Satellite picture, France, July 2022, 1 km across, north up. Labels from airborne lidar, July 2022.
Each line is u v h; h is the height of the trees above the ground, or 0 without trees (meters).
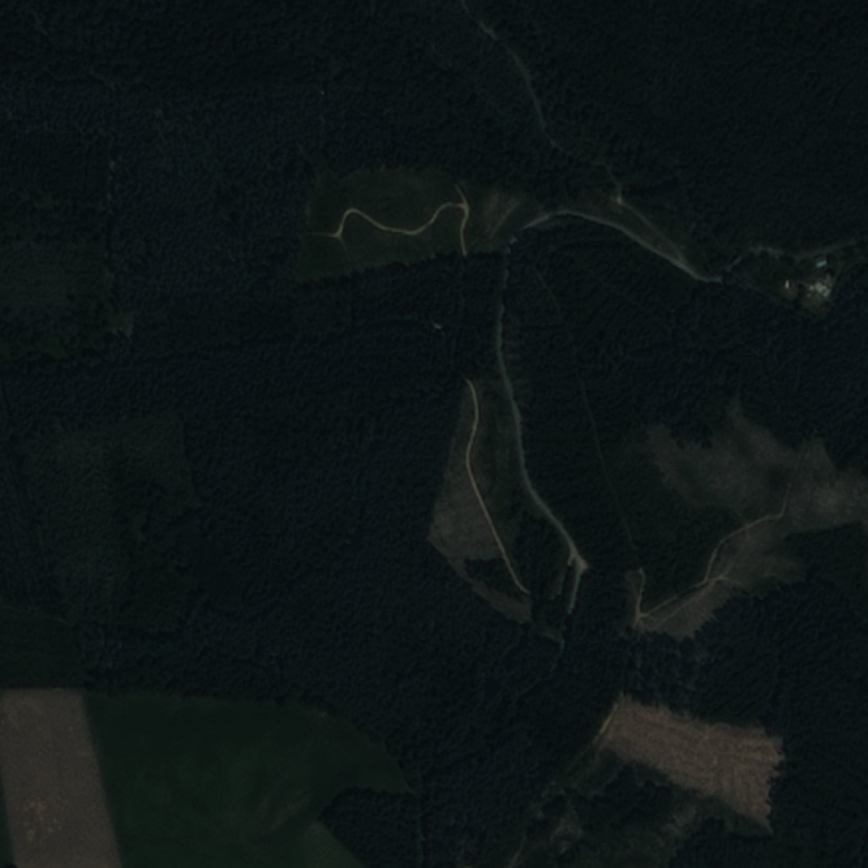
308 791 0
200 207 30
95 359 18
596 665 18
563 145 14
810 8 21
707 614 0
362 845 20
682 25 16
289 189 22
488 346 23
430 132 17
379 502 24
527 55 14
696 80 16
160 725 0
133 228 26
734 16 19
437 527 0
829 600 22
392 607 16
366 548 27
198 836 0
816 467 0
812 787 19
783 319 19
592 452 13
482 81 24
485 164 23
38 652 0
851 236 11
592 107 17
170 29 22
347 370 18
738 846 22
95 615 9
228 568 19
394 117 17
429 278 18
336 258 0
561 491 12
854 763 22
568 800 15
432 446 21
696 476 0
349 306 12
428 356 25
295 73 13
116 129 19
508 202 0
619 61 12
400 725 20
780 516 0
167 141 22
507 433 0
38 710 0
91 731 0
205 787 0
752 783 0
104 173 13
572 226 11
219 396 29
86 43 18
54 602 8
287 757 0
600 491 11
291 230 24
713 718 7
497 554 0
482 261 13
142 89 18
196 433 17
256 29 21
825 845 19
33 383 28
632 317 12
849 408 28
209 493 18
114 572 9
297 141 24
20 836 0
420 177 0
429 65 22
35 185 15
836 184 17
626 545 14
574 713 16
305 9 22
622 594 7
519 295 18
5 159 16
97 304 6
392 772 0
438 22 24
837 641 16
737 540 0
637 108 12
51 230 13
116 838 0
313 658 27
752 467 0
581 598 11
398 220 0
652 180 7
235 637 28
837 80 19
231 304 19
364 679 25
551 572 15
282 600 25
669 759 0
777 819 22
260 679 23
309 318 22
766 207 11
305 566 19
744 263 16
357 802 17
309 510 24
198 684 17
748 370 13
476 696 37
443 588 24
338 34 19
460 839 24
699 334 10
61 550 7
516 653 27
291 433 18
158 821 0
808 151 18
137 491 6
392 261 0
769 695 9
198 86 21
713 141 11
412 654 17
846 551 9
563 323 11
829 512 0
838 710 21
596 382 11
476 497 0
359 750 0
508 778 28
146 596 8
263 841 0
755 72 19
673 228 0
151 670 22
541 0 14
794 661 21
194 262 26
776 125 16
